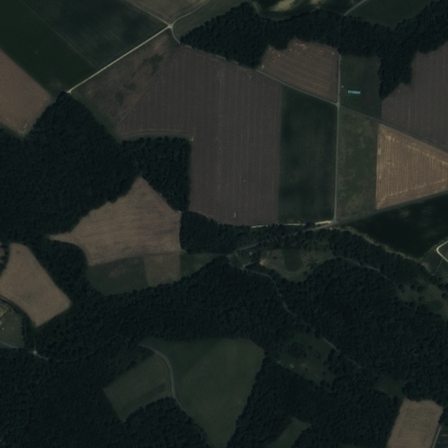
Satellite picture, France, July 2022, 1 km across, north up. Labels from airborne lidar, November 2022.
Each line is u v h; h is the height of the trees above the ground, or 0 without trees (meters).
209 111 0
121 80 0
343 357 24
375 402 24
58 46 0
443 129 0
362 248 14
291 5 0
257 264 9
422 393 22
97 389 17
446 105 0
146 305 22
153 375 0
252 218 0
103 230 0
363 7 0
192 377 0
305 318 20
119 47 0
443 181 0
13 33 0
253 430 23
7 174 28
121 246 0
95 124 20
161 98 0
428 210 0
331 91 0
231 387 0
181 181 24
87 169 25
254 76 0
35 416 26
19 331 0
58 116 24
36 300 0
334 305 23
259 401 21
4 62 0
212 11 0
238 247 7
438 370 27
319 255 0
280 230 19
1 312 0
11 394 24
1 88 0
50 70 0
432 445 0
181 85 0
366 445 22
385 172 0
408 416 0
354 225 0
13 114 0
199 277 26
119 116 0
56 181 7
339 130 0
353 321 28
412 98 0
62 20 0
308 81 0
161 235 0
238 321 31
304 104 0
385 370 25
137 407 0
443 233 0
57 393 24
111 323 17
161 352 0
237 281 21
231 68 0
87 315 22
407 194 0
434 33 32
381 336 26
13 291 0
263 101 0
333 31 31
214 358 0
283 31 24
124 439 20
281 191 0
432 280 12
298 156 0
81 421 21
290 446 0
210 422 0
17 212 23
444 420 20
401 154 0
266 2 0
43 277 0
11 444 19
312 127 0
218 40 22
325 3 0
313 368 0
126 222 0
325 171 0
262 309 32
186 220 19
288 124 0
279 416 29
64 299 0
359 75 0
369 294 25
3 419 18
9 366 24
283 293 23
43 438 20
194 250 22
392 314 25
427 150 0
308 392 26
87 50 0
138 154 22
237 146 0
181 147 20
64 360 16
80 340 24
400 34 26
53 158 27
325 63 0
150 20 0
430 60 0
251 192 0
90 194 27
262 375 21
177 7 0
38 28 0
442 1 15
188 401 0
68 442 23
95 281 0
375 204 0
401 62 25
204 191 0
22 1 0
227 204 0
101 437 25
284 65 0
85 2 0
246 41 25
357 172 0
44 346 18
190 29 0
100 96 0
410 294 0
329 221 0
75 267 28
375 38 32
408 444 0
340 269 8
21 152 29
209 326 30
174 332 23
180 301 27
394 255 12
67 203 29
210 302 22
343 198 0
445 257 0
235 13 18
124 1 0
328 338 20
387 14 0
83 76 0
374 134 0
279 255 0
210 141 0
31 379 29
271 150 0
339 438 27
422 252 0
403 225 0
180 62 0
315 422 23
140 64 0
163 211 0
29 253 0
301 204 0
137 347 6
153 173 25
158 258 0
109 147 24
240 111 0
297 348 13
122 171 26
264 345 22
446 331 25
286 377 24
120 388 0
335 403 27
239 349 0
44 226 24
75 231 0
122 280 0
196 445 21
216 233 16
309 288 25
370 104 0
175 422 27
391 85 27
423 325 31
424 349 31
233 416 0
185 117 0
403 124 0
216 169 0
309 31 24
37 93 0
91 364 18
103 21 0
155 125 0
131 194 0
